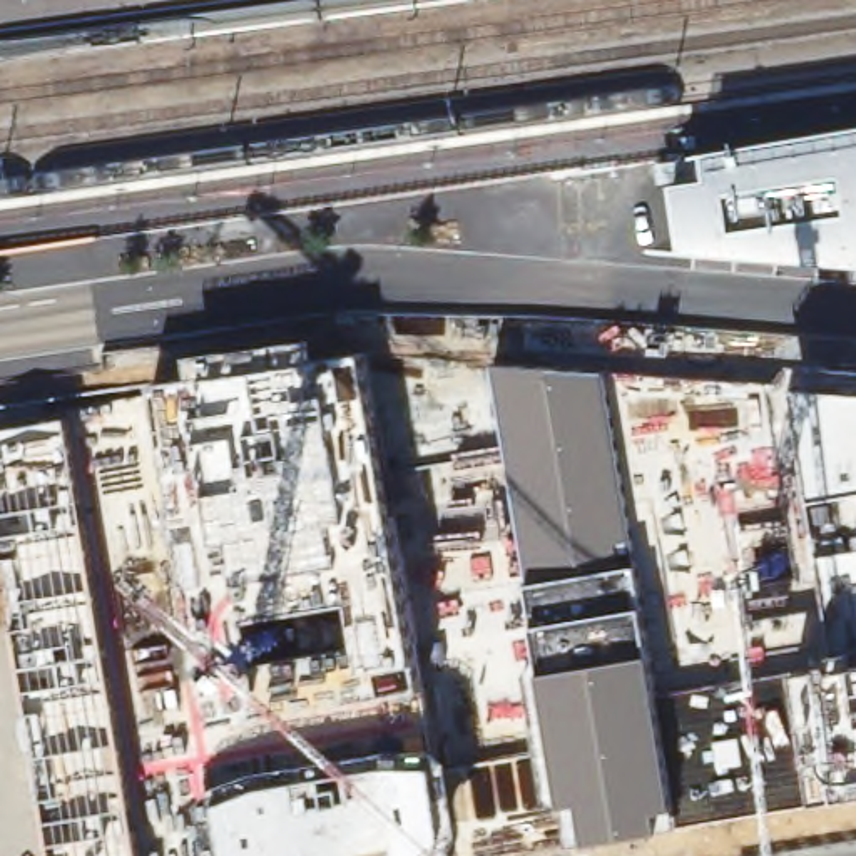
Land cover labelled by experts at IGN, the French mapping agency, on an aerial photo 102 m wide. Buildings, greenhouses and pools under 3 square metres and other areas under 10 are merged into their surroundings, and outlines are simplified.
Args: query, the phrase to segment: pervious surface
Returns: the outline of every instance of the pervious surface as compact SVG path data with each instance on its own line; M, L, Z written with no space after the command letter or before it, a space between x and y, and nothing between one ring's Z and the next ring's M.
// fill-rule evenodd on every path
M147 237L147 227L251 217L264 221L281 244L301 251L301 257L331 254L338 221L334 211L291 221L281 214L284 207L334 204L375 194L545 174L592 164L672 164L675 157L692 157L856 127L856 0L294 0L214 10L194 20L134 23L114 43L80 43L77 33L0 40L0 247L104 234L124 234L130 241Z

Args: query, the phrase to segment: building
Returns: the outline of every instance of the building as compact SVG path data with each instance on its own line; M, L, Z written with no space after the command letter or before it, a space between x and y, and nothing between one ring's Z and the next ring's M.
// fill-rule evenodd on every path
M823 271L856 274L856 127L692 157L696 181L675 184L662 194L672 257L796 264L799 247L816 244Z
M752 816L766 809L799 809L803 796L826 799L826 806L856 803L856 368L846 364L829 371L819 364L799 364L799 338L792 334L746 334L712 328L685 328L672 331L669 338L649 328L605 328L599 341L605 341L612 351L602 358L595 371L498 368L495 351L502 334L502 314L448 314L441 334L398 334L388 341L391 354L405 364L408 401L401 408L391 395L381 391L378 375L371 375L354 358L344 358L338 351L338 341L331 341L324 331L308 331L298 344L261 344L247 351L187 358L177 368L177 381L150 385L140 391L140 398L114 401L100 411L74 411L64 421L0 428L0 562L20 558L20 572L27 578L17 592L17 612L10 619L10 649L27 722L37 813L43 826L47 856L575 856L589 846L649 839L655 833L655 819L665 813L675 826L696 826Z

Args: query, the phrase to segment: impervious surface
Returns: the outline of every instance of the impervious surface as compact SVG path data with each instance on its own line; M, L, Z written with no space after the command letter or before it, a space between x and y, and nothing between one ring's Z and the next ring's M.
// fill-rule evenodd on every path
M80 43L114 43L134 23L194 20L214 10L294 0L0 0L0 40L77 33Z
M696 826L675 826L665 813L655 819L655 833L649 839L589 846L575 856L856 856L856 803L826 806L826 799L803 796L799 809L766 809L752 816Z
M378 375L381 391L391 395L401 408L408 401L405 364L391 354L388 341L398 334L441 334L448 314L502 314L502 334L495 351L498 368L595 371L602 358L612 351L605 341L599 341L605 328L649 328L669 338L672 331L685 328L712 328L746 334L792 334L799 338L799 364L819 364L829 371L846 364L856 368L856 274L823 271L816 244L799 247L796 264L672 257L662 194L675 184L696 181L692 157L675 157L672 164L592 164L545 174L375 194L334 204L284 207L281 214L291 221L334 211L338 221L331 254L301 257L301 251L281 244L264 221L251 217L147 227L147 237L130 241L124 234L104 234L0 247L0 428L64 421L74 411L100 411L114 401L140 398L140 391L150 385L177 381L177 368L187 358L247 351L261 344L298 344L308 331L324 331L331 341L338 341L338 351L344 358L354 358L371 375Z
M47 856L43 826L37 813L27 722L10 649L10 619L17 612L17 592L27 578L20 572L20 558L0 562L0 856Z

